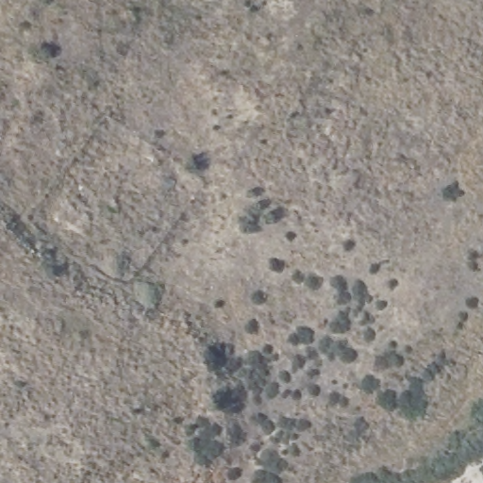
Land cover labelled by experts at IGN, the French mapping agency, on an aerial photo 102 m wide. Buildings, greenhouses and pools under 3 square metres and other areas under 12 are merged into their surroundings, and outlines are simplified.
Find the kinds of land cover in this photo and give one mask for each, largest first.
<instances>
[{"label":"herbaceous vegetation","instance_id":"1","mask_svg":"<svg viewBox=\"0 0 483 483\"><path fill-rule=\"evenodd\" d=\"M294 272L321 277V287L309 289L306 283L294 281ZM340 311L349 313L351 328L347 332L332 330V321ZM300 326H309L313 330V341L291 343L289 338ZM323 338L347 341V345L357 351V360H330L321 347ZM391 341L398 343V353L404 357V364L389 366L383 370L375 368V355L385 353ZM215 343H232L236 357H247L251 351H258L264 345H272L277 353V360L270 364V379L279 387L277 396L270 398L268 394H262V404H255V392L251 391L247 392L245 408L241 409L240 413H225L215 409L213 394L219 391L217 375L208 370L204 362L206 351ZM413 377H419L425 383L428 408L423 417L406 419L396 409L379 406L377 398L383 392L408 391L409 381ZM483 400V0H0V483H253L255 472L260 470L258 462L268 451H277L281 460L294 466V472H281L283 483H351V477L375 472L379 468H389L391 472L398 474L406 470H417L421 466V457H436L445 449L449 436L455 430H462L470 425V409L474 402ZM257 413H266L272 419V423L279 421L281 417L309 419L311 426L298 436V440L274 443L272 440L279 434V428L266 432L253 421V415ZM198 417H208L211 423L221 426V434L217 436V441L225 445V451L211 466H200L196 462L194 451L189 447L187 440V428L196 423Z\"/></svg>","mask_w":483,"mask_h":483},{"label":"brushwood","instance_id":"2","mask_svg":"<svg viewBox=\"0 0 483 483\"><path fill-rule=\"evenodd\" d=\"M294 281L306 283L309 289L321 287V277L294 272ZM351 328L349 313L340 311L332 321V330L347 332ZM291 343L313 341V330L309 326H300L289 338ZM321 347L330 360H357V351L347 345V341L323 338ZM404 364V357L398 353V343L391 341L385 353L375 355V368L383 370L389 366ZM277 360V353L272 345H264L258 351H251L247 357H236L232 343H215L206 351L204 362L208 370L217 375L219 391L213 394L215 409L225 413H240L241 409L245 408L247 392L251 391L255 392V404H262V394H268L270 398L277 396L279 387L270 379V364ZM379 406L396 409L406 419L423 417L428 408L425 383L419 377H413L409 381L408 391L383 392L377 398ZM470 425L462 430H455L449 436L445 449L436 457H421V466L417 470H406L398 474L391 472L389 468H379L375 472L351 477V483H451L455 477L464 474L466 466L483 458V400L474 402L470 409ZM253 421L266 432L279 428V434L272 440L274 443L298 440V436L311 426L309 419L281 417L279 421L272 423V419L266 413H257L253 415ZM221 434V426L211 423L208 417H198L196 423L187 428V440L189 447L194 451L196 462L200 466H211L225 451V445L217 441V436ZM260 470L255 472L253 483H283L281 472H294V466L281 460L277 451H268L258 462Z\"/></svg>","mask_w":483,"mask_h":483},{"label":"pervious surface","instance_id":"3","mask_svg":"<svg viewBox=\"0 0 483 483\"><path fill-rule=\"evenodd\" d=\"M451 483H483V458L466 466L464 474L455 477Z\"/></svg>","mask_w":483,"mask_h":483}]
</instances>
